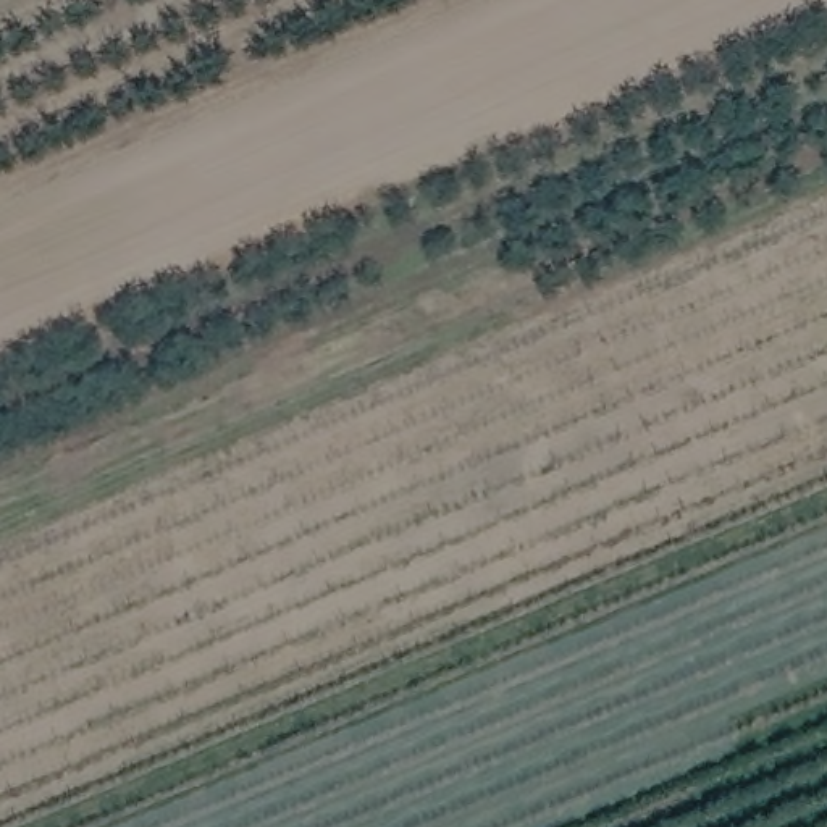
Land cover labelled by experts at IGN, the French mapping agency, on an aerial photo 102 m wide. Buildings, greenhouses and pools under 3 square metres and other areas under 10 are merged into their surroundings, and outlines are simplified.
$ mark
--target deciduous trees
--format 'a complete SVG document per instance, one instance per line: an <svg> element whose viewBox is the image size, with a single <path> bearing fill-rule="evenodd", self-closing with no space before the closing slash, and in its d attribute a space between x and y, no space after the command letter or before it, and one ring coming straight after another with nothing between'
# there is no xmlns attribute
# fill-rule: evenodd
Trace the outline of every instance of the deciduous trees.
<svg viewBox="0 0 827 827"><path fill-rule="evenodd" d="M255 0L191 0L191 16L197 26L233 19Z"/></svg>
<svg viewBox="0 0 827 827"><path fill-rule="evenodd" d="M90 78L100 68L113 68L132 55L152 52L158 42L178 42L184 36L184 26L178 19L178 10L162 10L158 23L132 26L132 36L123 42L107 39L100 48L90 52L71 48L68 61L61 65L45 61L19 78L10 78L13 100L26 103L36 94L61 90L68 78Z"/></svg>
<svg viewBox="0 0 827 827"><path fill-rule="evenodd" d="M630 268L640 268L643 258L649 258L653 252L675 252L682 239L678 207L691 210L695 223L707 236L724 229L724 207L714 197L714 181L720 178L730 181L730 194L743 210L753 204L756 184L769 184L772 194L782 194L788 200L791 197L798 191L798 168L791 165L791 155L798 145L814 142L827 165L827 100L808 103L801 110L801 123L791 123L795 90L785 74L772 71L772 58L804 55L808 48L827 42L827 0L814 0L801 10L766 16L746 32L724 36L717 48L698 58L682 58L678 74L669 74L659 65L640 84L623 84L620 94L607 103L588 103L585 110L565 120L581 142L598 132L598 120L611 120L617 126L617 142L604 155L585 158L578 162L578 168L562 174L536 174L527 191L504 187L494 200L475 204L472 216L462 216L452 226L430 226L420 246L430 258L446 249L475 246L504 223L504 239L497 246L501 268L533 275L539 294L546 297L552 297L569 281L591 284L623 278ZM649 129L649 136L633 136L630 120L643 107L678 103L685 94L695 90L711 100L707 113L662 120Z"/></svg>
<svg viewBox="0 0 827 827"><path fill-rule="evenodd" d="M404 223L410 210L397 184L381 187L388 223Z"/></svg>
<svg viewBox="0 0 827 827"><path fill-rule="evenodd" d="M475 152L468 152L455 165L433 168L417 181L420 194L430 204L449 204L462 187L478 187L488 181L485 162Z"/></svg>
<svg viewBox="0 0 827 827"><path fill-rule="evenodd" d="M23 26L19 19L6 19L6 26L0 29L0 61L3 55L19 55L32 48L39 36L55 36L71 26L84 26L126 0L65 0L65 10L42 10L29 26Z"/></svg>
<svg viewBox="0 0 827 827"><path fill-rule="evenodd" d="M791 695L801 685L827 678L827 468L785 491L772 491L737 510L727 510L714 520L691 523L685 533L659 539L656 546L588 569L523 601L462 620L430 640L394 649L375 662L365 662L336 678L294 691L275 704L226 720L191 740L132 759L107 775L71 785L45 801L13 811L0 824L0 827L698 827L691 821L691 811L704 811L720 798L749 791L762 782L775 782L795 769L827 759L827 743L779 759L775 766L759 769L753 775L714 785L698 798L678 801L665 811L653 808L653 798L685 788L714 769L727 769L743 756L769 753L785 740L827 727L827 707L821 707L811 717L782 724L769 733L759 733L753 740L737 737L737 717L753 704L766 704L772 698Z"/></svg>
<svg viewBox="0 0 827 827"><path fill-rule="evenodd" d="M229 61L223 45L197 45L187 52L187 58L171 61L165 74L136 74L113 87L100 103L84 97L68 110L45 113L42 120L23 123L16 132L0 136L0 171L10 171L23 162L36 162L61 145L90 139L103 129L107 120L123 120L132 110L152 110L168 100L181 100L194 90L213 87L220 84Z"/></svg>
<svg viewBox="0 0 827 827"><path fill-rule="evenodd" d="M210 372L226 349L239 349L249 339L271 336L278 323L304 326L310 320L310 310L320 304L342 307L349 300L346 281L359 278L362 284L378 284L378 265L372 258L362 258L359 249L349 246L359 233L359 223L372 220L368 210L359 204L323 207L313 210L304 223L288 223L281 229L271 229L265 239L242 242L233 249L229 265L204 262L194 268L158 271L149 281L129 281L113 297L97 304L90 313L48 320L45 326L36 326L19 339L0 346L0 455L10 455L29 443L55 443L58 436L78 426L94 423L100 414L113 414L123 410L123 404L142 401L149 388L174 388L181 381L191 381Z"/></svg>
<svg viewBox="0 0 827 827"><path fill-rule="evenodd" d="M727 827L762 827L759 821L775 814L779 808L827 791L827 775L740 811Z"/></svg>
<svg viewBox="0 0 827 827"><path fill-rule="evenodd" d="M504 142L491 145L497 152L501 174L520 171L527 162L556 155L556 132L549 126L514 132Z"/></svg>
<svg viewBox="0 0 827 827"><path fill-rule="evenodd" d="M304 48L333 39L336 32L355 23L397 13L410 0L313 0L300 10L275 16L271 23L262 23L258 32L249 39L249 52L255 58L284 55L284 48Z"/></svg>

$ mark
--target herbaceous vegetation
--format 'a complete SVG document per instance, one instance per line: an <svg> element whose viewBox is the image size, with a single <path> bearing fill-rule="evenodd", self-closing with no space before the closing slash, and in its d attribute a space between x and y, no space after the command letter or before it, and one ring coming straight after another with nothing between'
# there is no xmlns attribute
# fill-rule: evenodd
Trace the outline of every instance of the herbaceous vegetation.
<svg viewBox="0 0 827 827"><path fill-rule="evenodd" d="M759 821L762 827L827 827L827 791L779 808L775 814Z"/></svg>
<svg viewBox="0 0 827 827"><path fill-rule="evenodd" d="M191 16L191 0L126 0L84 26L71 26L55 36L39 36L32 48L19 55L3 55L0 61L0 136L16 132L23 123L42 120L45 113L68 110L84 97L100 103L113 87L136 74L165 74L171 61L187 58L187 52L197 45L223 45L229 61L249 52L249 39L258 32L262 23L271 23L275 16L300 10L313 0L255 0L233 19L197 26ZM61 65L68 61L71 48L90 52L100 48L107 39L123 42L132 36L132 26L158 23L162 10L178 10L178 19L184 26L184 36L178 42L158 42L152 52L132 55L113 68L100 68L90 78L68 78L61 90L36 94L26 103L13 100L10 78L19 78L45 61Z"/></svg>
<svg viewBox="0 0 827 827"><path fill-rule="evenodd" d="M462 216L472 216L475 204L494 200L504 187L527 191L536 174L562 174L578 168L578 162L585 158L604 155L617 142L617 126L611 120L598 120L598 132L581 142L565 120L549 126L556 132L556 155L527 162L520 171L501 174L497 152L491 145L475 152L485 162L488 181L478 187L462 187L449 204L430 204L420 194L417 181L397 184L410 210L404 223L388 223L381 187L368 191L359 204L368 210L372 220L359 223L359 233L349 246L359 249L362 258L372 258L378 265L378 284L362 284L359 278L346 281L349 300L342 307L320 304L310 310L310 320L304 326L278 323L271 336L249 339L239 349L226 349L210 372L191 381L181 381L174 388L149 388L142 401L123 404L123 410L113 414L100 414L94 423L78 426L58 436L55 443L29 443L10 455L0 455L0 565L42 549L39 539L29 533L42 523L84 510L110 494L126 491L136 481L155 478L184 462L233 449L246 436L258 436L281 423L300 420L317 407L355 397L372 384L407 375L443 352L452 352L462 342L475 342L485 333L523 323L543 310L549 310L549 317L562 317L565 310L581 310L588 304L585 294L591 291L591 284L569 281L552 297L546 297L539 294L533 275L501 268L497 246L504 239L504 223L475 246L446 249L430 258L420 246L430 226L452 226Z"/></svg>
<svg viewBox="0 0 827 827"><path fill-rule="evenodd" d="M782 724L811 717L821 707L827 707L827 678L801 685L791 695L772 698L766 704L753 704L737 717L737 737L753 740L759 733L769 733Z"/></svg>
<svg viewBox="0 0 827 827"><path fill-rule="evenodd" d="M791 165L798 168L798 191L791 197L817 197L827 191L827 165L814 142L798 145L791 155Z"/></svg>
<svg viewBox="0 0 827 827"><path fill-rule="evenodd" d="M753 204L743 210L730 194L730 181L720 178L714 181L714 197L724 207L724 229L740 229L746 223L762 226L785 210L788 200L782 194L772 194L769 184L756 184Z"/></svg>
<svg viewBox="0 0 827 827"><path fill-rule="evenodd" d="M6 19L19 19L23 26L29 26L42 10L65 10L65 0L0 0L0 29L6 26Z"/></svg>
<svg viewBox="0 0 827 827"><path fill-rule="evenodd" d="M691 210L678 207L682 239L675 252L701 246L707 236L695 223Z"/></svg>
<svg viewBox="0 0 827 827"><path fill-rule="evenodd" d="M791 123L801 123L801 110L808 103L827 100L827 42L808 48L804 55L772 58L772 71L785 74L795 90Z"/></svg>
<svg viewBox="0 0 827 827"><path fill-rule="evenodd" d="M762 782L749 791L720 798L704 811L691 811L691 821L698 827L727 827L740 811L827 775L827 759L795 769L775 782Z"/></svg>
<svg viewBox="0 0 827 827"><path fill-rule="evenodd" d="M643 107L630 120L633 136L649 136L649 129L662 120L707 113L711 100L695 90L685 94L678 103Z"/></svg>
<svg viewBox="0 0 827 827"><path fill-rule="evenodd" d="M827 727L785 740L769 753L743 756L727 769L714 769L685 788L653 798L653 808L665 811L678 801L698 798L714 785L753 775L759 769L775 766L779 759L827 743Z"/></svg>

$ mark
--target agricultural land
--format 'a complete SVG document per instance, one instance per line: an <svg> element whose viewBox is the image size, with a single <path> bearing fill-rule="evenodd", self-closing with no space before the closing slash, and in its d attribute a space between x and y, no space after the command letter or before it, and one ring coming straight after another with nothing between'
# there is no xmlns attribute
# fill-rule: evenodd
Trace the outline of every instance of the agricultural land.
<svg viewBox="0 0 827 827"><path fill-rule="evenodd" d="M229 265L233 249L242 242L265 239L271 229L281 229L288 223L304 223L313 210L323 207L359 204L368 191L381 187L397 184L417 181L433 168L455 165L468 152L475 152L491 145L504 142L514 132L549 126L565 120L585 110L588 103L607 103L620 94L623 84L640 84L659 65L669 74L678 74L682 58L698 58L717 48L724 36L746 32L766 16L801 10L814 0L410 0L397 13L355 23L336 32L333 39L304 48L284 48L284 55L255 58L249 52L229 61L220 84L213 87L194 90L181 100L168 100L152 110L132 110L123 120L107 120L103 129L90 139L61 145L36 162L23 162L10 171L0 171L0 346L19 339L36 326L45 326L48 320L90 313L97 304L113 297L129 281L149 281L158 271L194 268L204 262Z"/></svg>
<svg viewBox="0 0 827 827"><path fill-rule="evenodd" d="M549 317L549 310L543 310L523 323L485 333L475 342L462 342L452 352L443 352L407 375L372 384L355 397L317 407L300 420L281 423L258 436L246 436L233 449L184 462L155 478L136 481L126 491L110 494L84 510L42 523L29 533L39 539L42 549L0 565L0 824L13 811L45 801L71 785L107 775L132 759L191 740L226 720L275 704L294 691L336 678L365 662L375 662L394 649L430 640L462 620L523 601L588 569L656 546L659 539L685 533L691 523L714 520L727 510L737 510L772 491L785 491L827 468L827 191L817 197L791 197L788 200L785 210L762 226L746 223L740 229L724 229L707 236L701 246L675 252L653 252L649 258L643 258L640 268L630 268L623 278L591 284L591 291L585 294L588 304L581 310L565 310L562 317Z"/></svg>

